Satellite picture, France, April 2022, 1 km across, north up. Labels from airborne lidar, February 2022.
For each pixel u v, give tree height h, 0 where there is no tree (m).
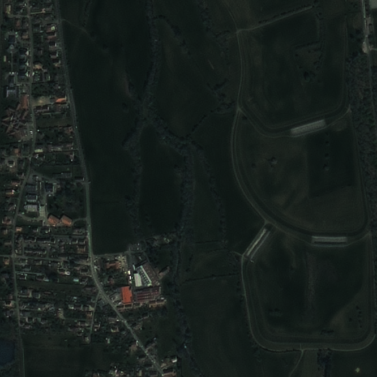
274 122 0
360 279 0
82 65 0
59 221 0
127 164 0
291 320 0
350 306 0
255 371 0
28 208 0
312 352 0
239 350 0
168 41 0
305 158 0
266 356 0
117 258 0
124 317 0
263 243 0
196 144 17
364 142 23
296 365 0
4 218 0
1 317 0
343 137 0
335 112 0
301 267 0
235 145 0
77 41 0
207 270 0
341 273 0
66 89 0
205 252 0
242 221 0
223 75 0
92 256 0
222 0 0
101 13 0
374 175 26
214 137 0
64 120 0
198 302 0
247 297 0
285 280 0
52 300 6
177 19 0
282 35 0
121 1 0
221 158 0
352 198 0
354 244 0
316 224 0
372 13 0
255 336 0
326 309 0
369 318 0
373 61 0
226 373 0
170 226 0
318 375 0
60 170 0
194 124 0
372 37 11
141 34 0
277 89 0
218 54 0
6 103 0
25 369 0
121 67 0
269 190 0
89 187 0
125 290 0
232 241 0
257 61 0
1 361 0
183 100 0
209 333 0
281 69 0
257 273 0
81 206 8
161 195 0
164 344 0
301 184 0
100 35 0
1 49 0
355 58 19
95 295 9
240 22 0
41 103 0
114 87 0
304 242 0
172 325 0
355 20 0
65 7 0
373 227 18
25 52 0
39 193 0
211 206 0
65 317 0
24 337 0
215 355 0
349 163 0
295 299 0
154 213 0
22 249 0
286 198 0
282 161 0
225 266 0
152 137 0
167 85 0
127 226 0
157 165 0
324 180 0
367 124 21
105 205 0
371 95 22
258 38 0
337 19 0
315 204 0
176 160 0
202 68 0
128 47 0
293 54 0
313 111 0
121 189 0
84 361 0
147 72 0
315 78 12
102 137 0
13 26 0
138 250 0
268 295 0
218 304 0
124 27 0
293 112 0
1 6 0
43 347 0
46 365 0
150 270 0
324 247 0
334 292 0
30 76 0
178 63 0
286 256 0
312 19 0
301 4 0
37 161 9
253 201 0
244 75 0
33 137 0
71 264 8
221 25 0
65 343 0
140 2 0
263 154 0
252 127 0
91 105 0
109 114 0
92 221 0
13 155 0
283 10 0
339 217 0
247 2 0
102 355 0
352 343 0
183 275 0
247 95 0
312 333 0
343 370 0
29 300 11
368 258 0
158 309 14
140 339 0
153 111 24
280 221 0
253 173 0
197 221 0
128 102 0
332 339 0
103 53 0
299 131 0
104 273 6
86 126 0
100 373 8
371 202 22
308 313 0
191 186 25
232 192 0
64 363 0
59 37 0
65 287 0
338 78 0
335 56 0
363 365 0
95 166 0
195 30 0
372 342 0
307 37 0
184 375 0
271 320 0
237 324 0
